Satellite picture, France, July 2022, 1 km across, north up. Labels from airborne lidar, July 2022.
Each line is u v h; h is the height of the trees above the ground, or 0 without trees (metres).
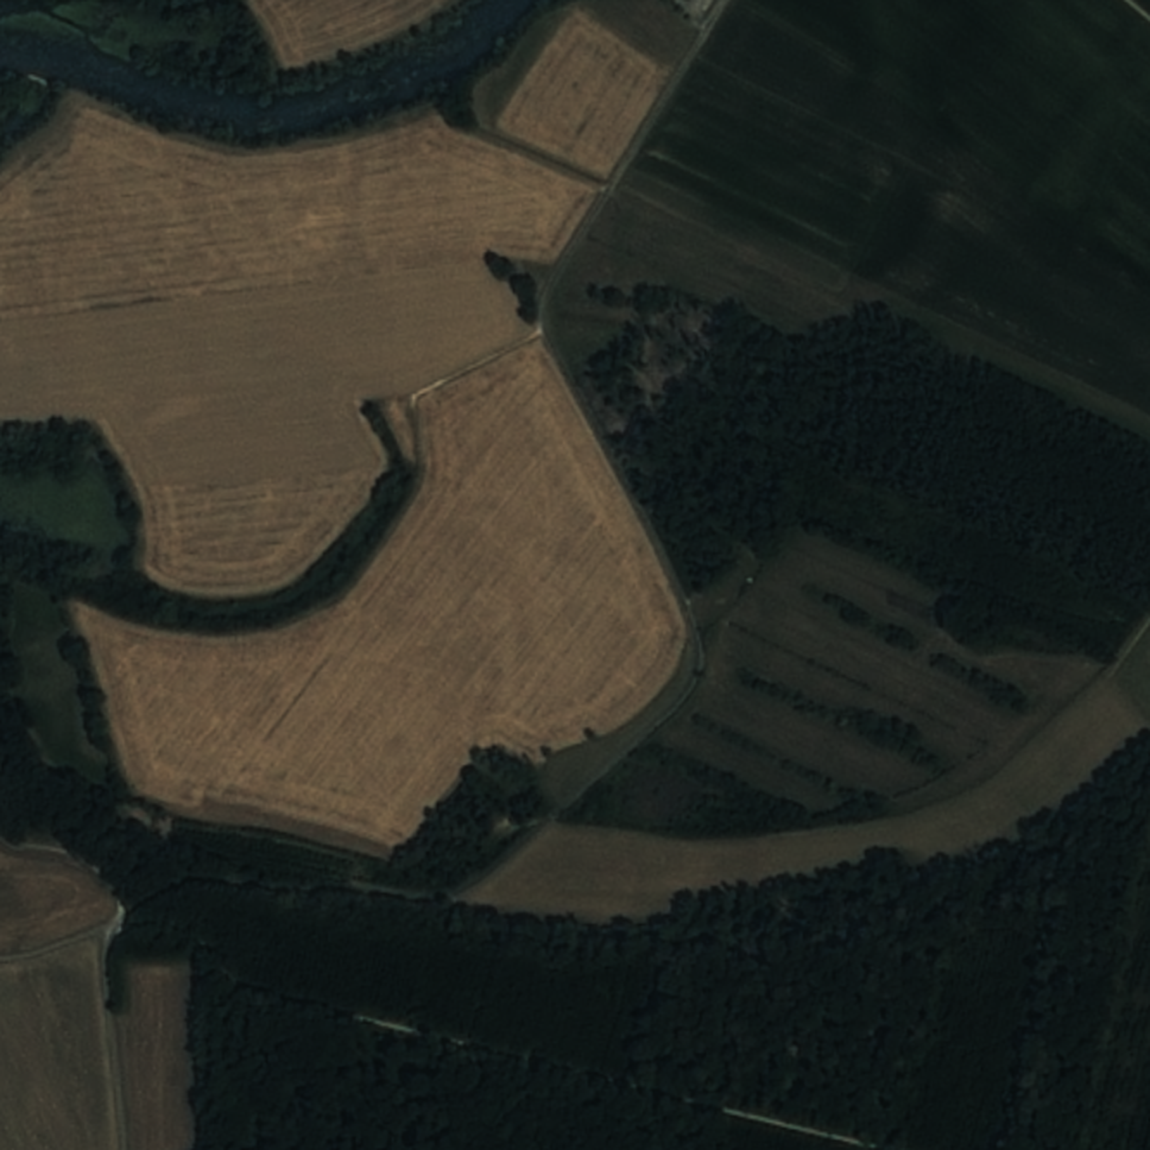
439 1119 24
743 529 25
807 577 0
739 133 0
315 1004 16
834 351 18
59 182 0
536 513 0
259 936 14
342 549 8
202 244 0
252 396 0
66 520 0
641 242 0
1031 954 6
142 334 0
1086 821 23
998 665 0
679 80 0
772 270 0
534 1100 26
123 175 0
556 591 0
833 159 0
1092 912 21
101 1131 0
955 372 17
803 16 0
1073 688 0
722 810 11
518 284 17
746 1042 25
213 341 0
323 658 0
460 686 0
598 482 0
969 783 0
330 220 0
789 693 10
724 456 8
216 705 0
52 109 14
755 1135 7
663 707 0
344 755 0
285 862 7
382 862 7
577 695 0
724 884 0
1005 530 30
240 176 0
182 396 0
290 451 0
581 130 0
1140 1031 6
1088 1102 26
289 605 7
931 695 0
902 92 0
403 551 0
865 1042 25
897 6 0
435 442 0
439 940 11
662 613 0
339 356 0
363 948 10
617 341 8
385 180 0
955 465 28
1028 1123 25
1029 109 0
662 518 16
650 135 0
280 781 0
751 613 0
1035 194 0
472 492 0
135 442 0
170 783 0
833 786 8
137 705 0
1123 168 0
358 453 0
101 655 0
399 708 0
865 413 28
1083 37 0
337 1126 23
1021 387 19
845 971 28
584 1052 8
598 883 0
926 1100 7
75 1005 0
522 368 0
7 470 12
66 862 0
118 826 13
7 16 0
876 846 0
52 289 0
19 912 0
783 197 0
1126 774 24
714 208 0
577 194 0
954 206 0
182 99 0
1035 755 0
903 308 0
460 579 0
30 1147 0
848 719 10
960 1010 8
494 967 8
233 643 0
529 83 0
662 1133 20
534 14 13
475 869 14
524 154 0
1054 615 7
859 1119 21
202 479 0
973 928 21
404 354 0
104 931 0
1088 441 17
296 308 0
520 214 0
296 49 0
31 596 0
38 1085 0
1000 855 16
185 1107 0
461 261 0
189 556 0
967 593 20
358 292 0
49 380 0
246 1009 20
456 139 0
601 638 0
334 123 12
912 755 10
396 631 0
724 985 26
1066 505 25
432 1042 26
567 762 0
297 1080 24
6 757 19
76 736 0
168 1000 0
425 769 0
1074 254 0
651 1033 21
